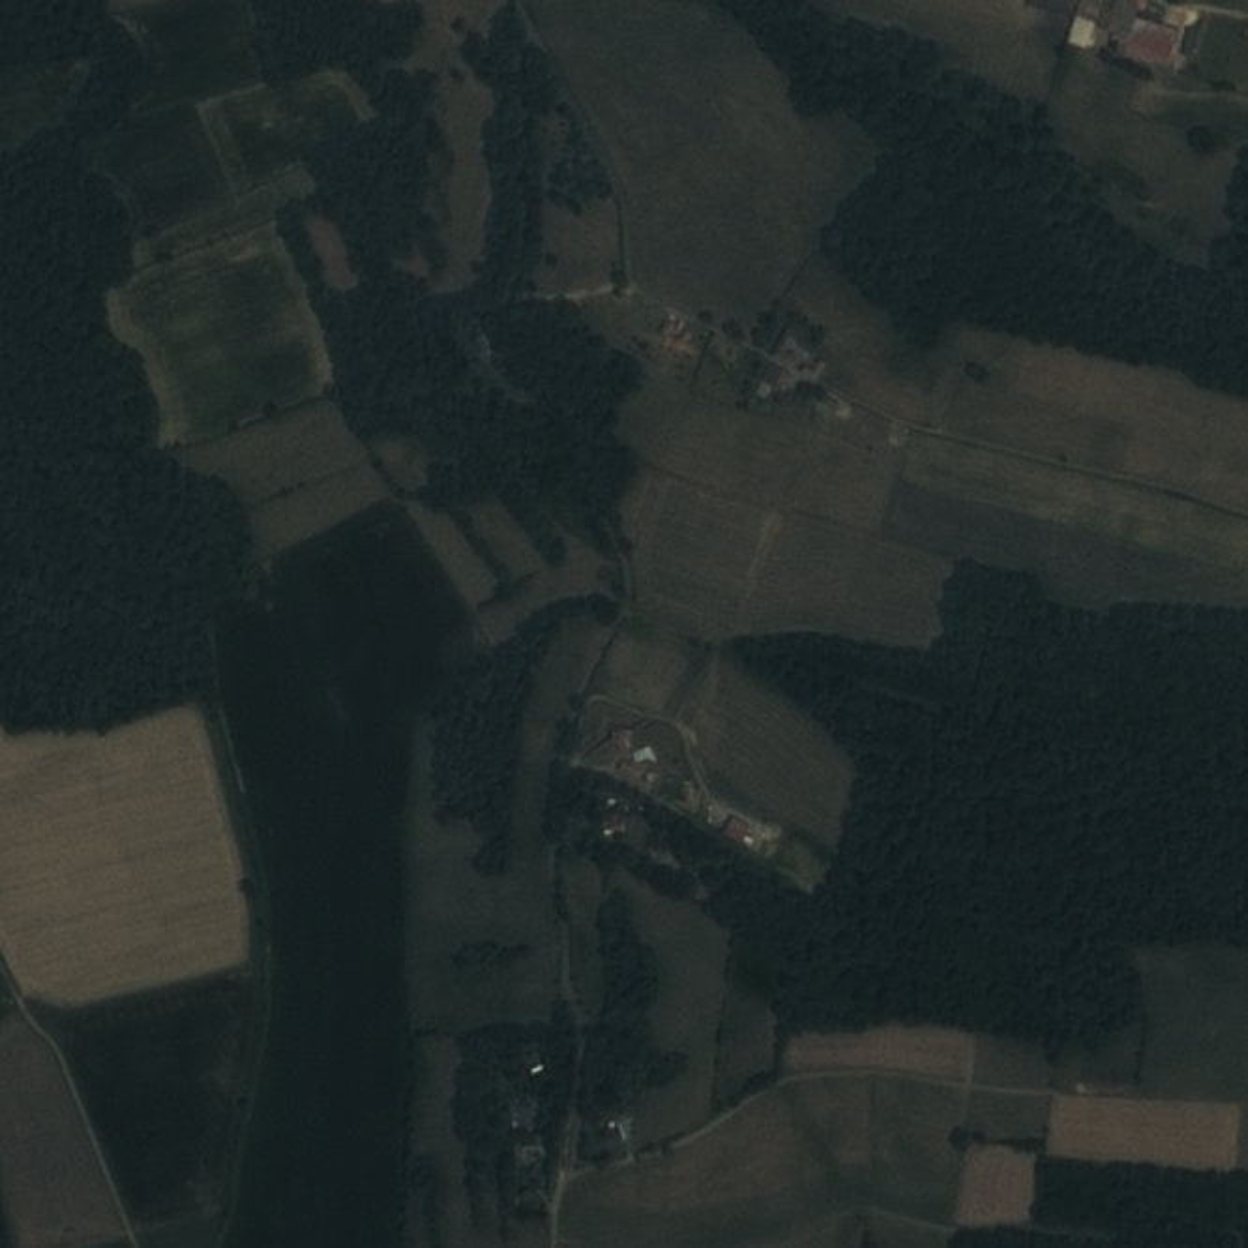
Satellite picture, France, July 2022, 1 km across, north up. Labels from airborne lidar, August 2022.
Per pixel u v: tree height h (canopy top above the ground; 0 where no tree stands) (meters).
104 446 30
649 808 11
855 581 0
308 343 0
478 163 0
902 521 0
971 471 0
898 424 0
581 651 0
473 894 0
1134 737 19
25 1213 0
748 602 0
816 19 20
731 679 0
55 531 35
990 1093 0
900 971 22
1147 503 0
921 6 0
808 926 28
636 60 0
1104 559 0
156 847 0
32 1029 0
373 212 26
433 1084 0
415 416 24
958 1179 0
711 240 0
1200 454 0
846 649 17
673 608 0
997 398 0
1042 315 20
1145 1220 21
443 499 20
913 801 14
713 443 0
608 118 0
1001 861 23
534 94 24
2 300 30
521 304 15
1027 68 0
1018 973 11
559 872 6
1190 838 20
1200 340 24
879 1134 0
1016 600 19
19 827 0
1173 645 24
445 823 13
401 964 0
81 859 0
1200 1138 0
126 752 0
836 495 0
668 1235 0
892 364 0
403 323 25
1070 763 27
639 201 0
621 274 8
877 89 27
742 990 0
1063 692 27
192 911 0
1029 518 0
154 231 11
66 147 22
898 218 24
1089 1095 0
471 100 0
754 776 0
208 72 0
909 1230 0
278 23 17
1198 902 24
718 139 0
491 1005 0
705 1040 0
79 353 31
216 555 29
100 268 24
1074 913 27
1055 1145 0
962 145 28
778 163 0
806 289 0
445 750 20
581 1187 0
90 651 30
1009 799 24
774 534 0
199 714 0
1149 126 0
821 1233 0
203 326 0
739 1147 0
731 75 0
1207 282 26
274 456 0
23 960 0
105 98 20
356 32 23
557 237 0
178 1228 0
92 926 0
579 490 6
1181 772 28
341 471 0
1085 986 12
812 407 0
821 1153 0
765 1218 0
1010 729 26
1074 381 0
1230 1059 0
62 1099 0
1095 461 0
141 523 32
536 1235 0
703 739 0
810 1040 0
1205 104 0
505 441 13
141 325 0
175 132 0
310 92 0
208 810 0
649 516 0
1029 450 0
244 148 0
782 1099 0
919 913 19
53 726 23
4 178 20
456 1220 0
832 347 0
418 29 22
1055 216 19
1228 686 26
